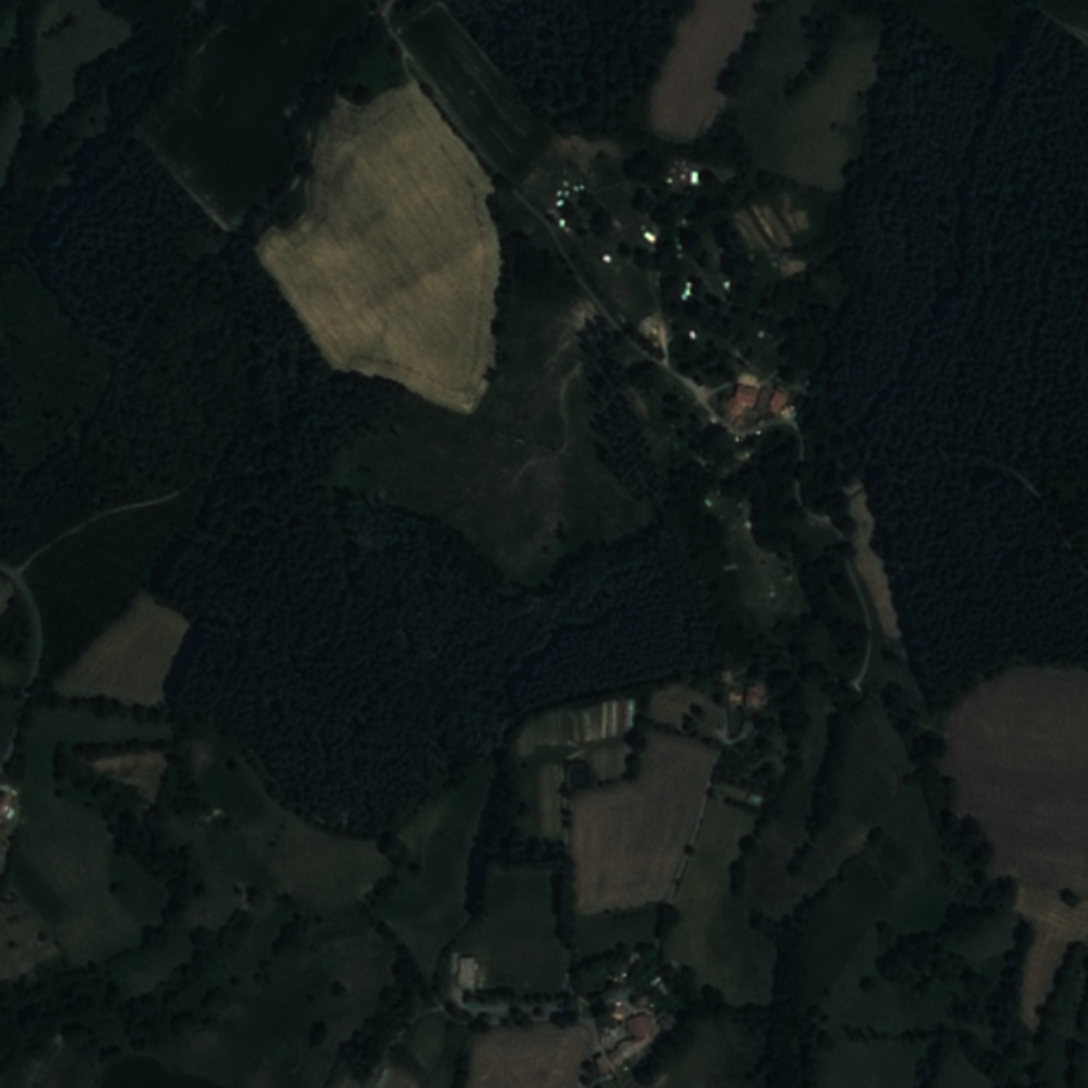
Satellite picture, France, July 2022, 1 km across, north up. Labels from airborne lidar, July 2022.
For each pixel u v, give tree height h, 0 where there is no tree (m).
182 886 23
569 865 16
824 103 0
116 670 0
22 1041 17
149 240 34
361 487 0
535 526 0
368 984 0
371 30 10
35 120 15
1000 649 30
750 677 8
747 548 0
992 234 23
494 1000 18
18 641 7
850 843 0
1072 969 9
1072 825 0
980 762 0
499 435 0
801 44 0
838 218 8
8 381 33
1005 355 33
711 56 0
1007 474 9
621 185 0
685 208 20
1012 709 0
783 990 18
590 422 0
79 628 7
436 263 0
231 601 34
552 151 0
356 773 30
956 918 12
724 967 0
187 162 0
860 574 0
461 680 19
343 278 0
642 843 0
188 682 34
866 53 0
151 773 0
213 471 8
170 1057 0
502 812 27
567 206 13
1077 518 13
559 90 35
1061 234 28
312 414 31
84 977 10
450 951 6
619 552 23
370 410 32
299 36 0
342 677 35
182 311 14
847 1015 0
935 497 34
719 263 0
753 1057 0
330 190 0
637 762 15
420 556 28
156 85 25
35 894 0
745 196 7
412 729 29
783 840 0
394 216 0
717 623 8
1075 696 0
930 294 31
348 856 0
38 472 12
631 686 24
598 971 14
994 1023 8
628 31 19
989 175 31
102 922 0
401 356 0
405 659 25
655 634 32
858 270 18
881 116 19
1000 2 6
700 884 0
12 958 0
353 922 0
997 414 34
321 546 34
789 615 0
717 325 32
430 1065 0
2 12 11
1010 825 0
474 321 0
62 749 13
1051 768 0
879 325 32
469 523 0
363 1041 9
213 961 27
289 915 0
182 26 17
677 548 27
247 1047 0
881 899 0
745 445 6
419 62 0
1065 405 30
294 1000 0
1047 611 34
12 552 16
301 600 34
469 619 29
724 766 10
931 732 7
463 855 0
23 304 0
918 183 33
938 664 33
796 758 11
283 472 9
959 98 32
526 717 21
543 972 0
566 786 8
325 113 16
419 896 0
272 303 31
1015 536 35
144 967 0
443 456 0
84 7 0
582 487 0
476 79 0
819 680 29
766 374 0
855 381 29
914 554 28
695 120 0
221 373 14
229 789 0
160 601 12
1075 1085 17
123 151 21
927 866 0
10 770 13
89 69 18
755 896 0
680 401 20
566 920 19
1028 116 35
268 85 0
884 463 29
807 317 6
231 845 0
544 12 32
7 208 22
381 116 0
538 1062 0
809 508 8
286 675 34
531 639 32
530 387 0
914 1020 0
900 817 0
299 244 0
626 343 13
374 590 32
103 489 10
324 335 0
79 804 0
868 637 12
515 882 0
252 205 0
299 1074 0
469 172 0
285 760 30
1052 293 33
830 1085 0
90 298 35
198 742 0
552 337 0
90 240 37
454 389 0
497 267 0
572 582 30
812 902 16
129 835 24
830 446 7
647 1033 0
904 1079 0
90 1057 17
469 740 31
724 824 0
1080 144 35
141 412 14
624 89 35
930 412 27
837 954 0
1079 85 31
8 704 0
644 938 0
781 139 0
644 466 23
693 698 0
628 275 0
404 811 18
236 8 21
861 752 0
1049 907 0
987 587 36
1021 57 30
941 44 8
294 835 0
